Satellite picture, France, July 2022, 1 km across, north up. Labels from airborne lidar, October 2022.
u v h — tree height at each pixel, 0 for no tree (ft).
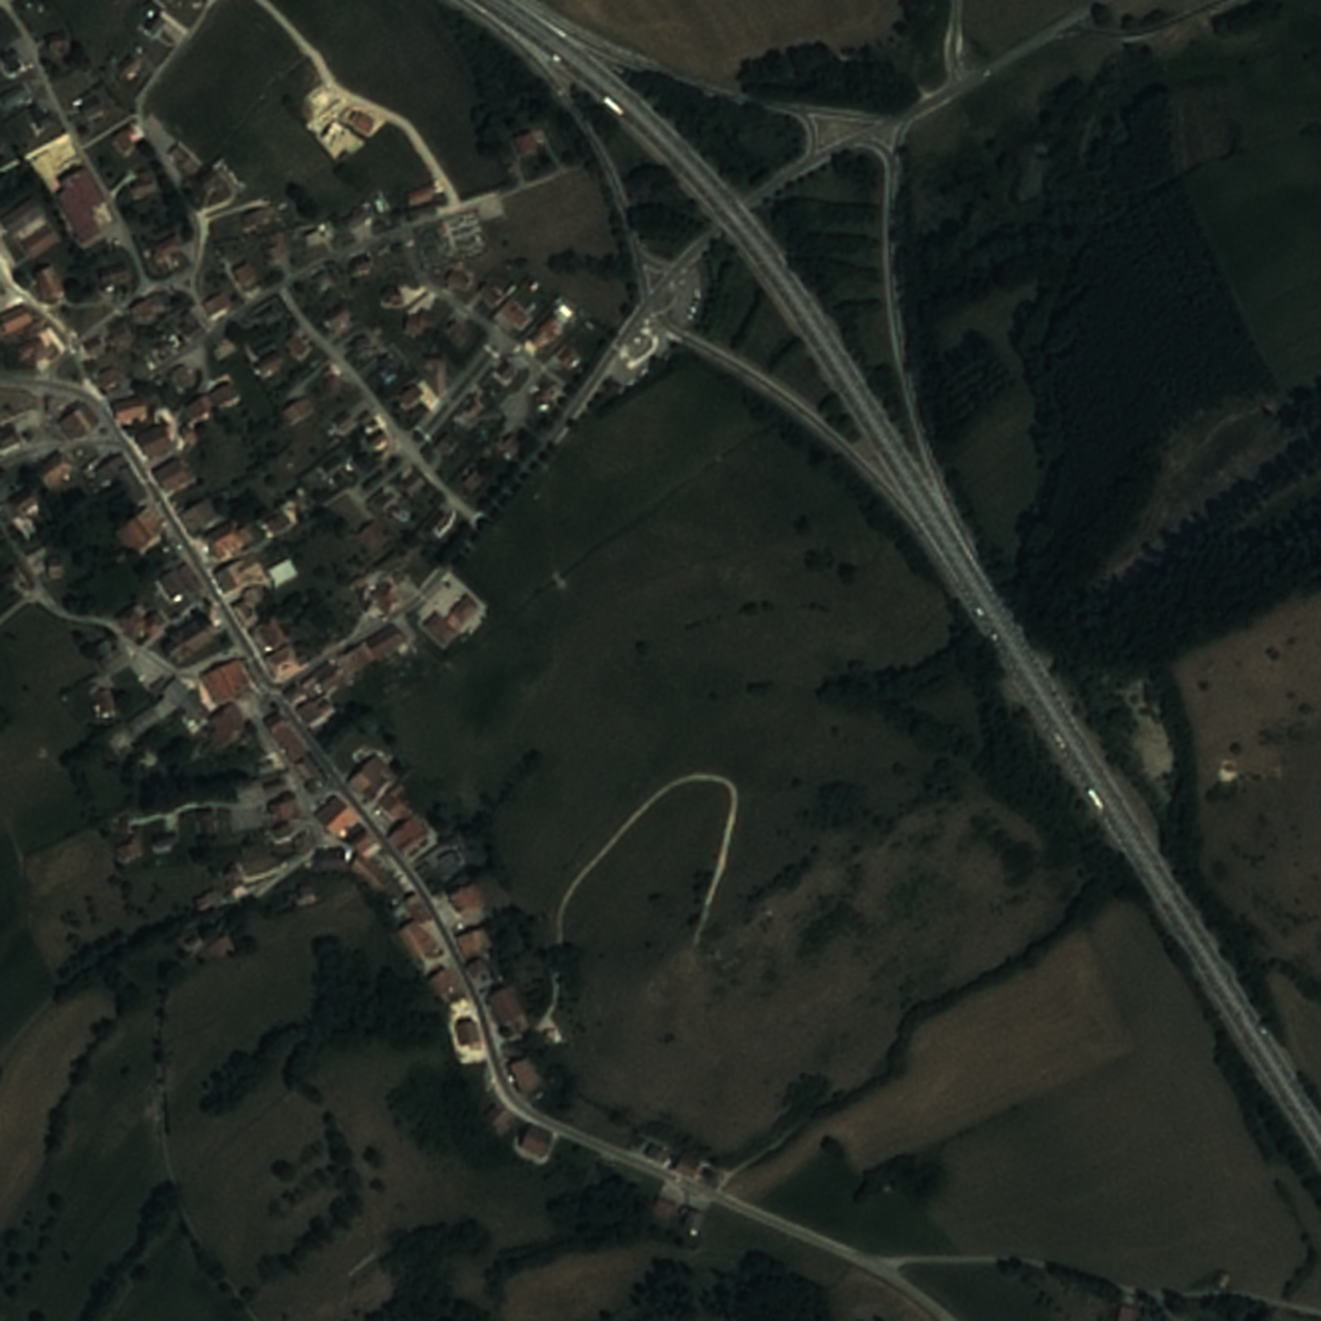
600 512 0
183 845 0
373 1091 0
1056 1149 0
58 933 0
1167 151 57
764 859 0
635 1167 0
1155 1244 0
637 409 0
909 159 36
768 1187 0
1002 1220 0
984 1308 0
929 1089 0
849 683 46
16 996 0
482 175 0
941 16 0
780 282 0
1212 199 0
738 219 0
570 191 0
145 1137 0
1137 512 75
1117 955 0
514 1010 0
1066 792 28
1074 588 60
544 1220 0
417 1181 0
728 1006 0
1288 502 0
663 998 0
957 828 0
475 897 0
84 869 0
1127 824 0
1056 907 0
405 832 0
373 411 0
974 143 0
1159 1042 0
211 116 0
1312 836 0
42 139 0
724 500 0
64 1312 0
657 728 0
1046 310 33
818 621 0
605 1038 0
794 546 0
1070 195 28
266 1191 0
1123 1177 0
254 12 0
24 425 0
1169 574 66
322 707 0
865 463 0
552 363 0
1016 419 0
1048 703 0
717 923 0
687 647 0
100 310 0
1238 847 0
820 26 0
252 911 32
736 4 0
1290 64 0
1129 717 28
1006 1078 0
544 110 53
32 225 0
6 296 0
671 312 0
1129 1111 0
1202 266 56
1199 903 26
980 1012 0
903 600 0
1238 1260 0
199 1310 0
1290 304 0
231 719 0
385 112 0
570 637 0
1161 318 65
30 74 0
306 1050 46
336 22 0
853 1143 0
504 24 0
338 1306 0
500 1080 0
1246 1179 0
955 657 31
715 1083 0
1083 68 0
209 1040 0
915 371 38
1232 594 65
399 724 0
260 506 34
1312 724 0
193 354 0
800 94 43
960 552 0
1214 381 49
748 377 0
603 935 0
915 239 43
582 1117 0
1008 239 56
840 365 0
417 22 0
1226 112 0
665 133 0
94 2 0
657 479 0
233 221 0
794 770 0
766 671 0
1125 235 61
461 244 0
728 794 0
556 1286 0
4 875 0
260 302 0
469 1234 37
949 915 0
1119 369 57
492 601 0
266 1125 0
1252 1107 18
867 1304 0
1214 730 0
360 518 0
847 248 33
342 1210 55
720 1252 0
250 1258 0
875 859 0
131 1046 0
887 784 0
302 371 27
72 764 48
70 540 64
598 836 0
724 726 0
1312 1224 0
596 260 41
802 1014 0
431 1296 38
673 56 0
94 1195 0
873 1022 0
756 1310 64
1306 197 0
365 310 0
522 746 0
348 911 0
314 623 25
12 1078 0
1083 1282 64
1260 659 0
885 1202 0
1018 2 0
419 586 0
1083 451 66
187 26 0
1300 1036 0
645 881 0
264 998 0
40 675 0
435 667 0
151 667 0
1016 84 0
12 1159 0
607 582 0
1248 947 36
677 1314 39
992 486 0
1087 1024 0
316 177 0
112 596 0
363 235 0
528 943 42
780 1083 0
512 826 0
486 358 0
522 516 0
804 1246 0
